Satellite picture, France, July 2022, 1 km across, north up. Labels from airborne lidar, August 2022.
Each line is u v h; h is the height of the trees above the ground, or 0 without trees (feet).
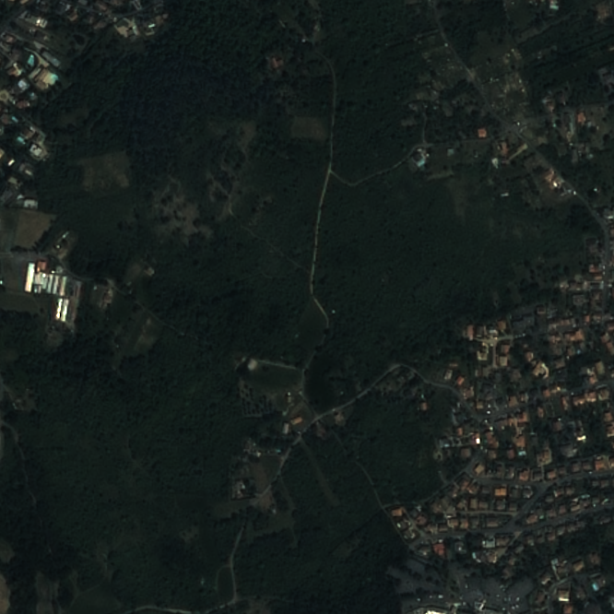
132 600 24
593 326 24
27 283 0
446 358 32
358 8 28
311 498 22
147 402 25
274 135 38
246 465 19
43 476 36
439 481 23
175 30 47
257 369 0
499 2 27
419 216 24
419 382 34
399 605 29
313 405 32
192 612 26
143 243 28
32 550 50
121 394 40
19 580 38
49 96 35
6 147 44
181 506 0
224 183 42
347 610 28
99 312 0
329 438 33
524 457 19
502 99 0
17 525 43
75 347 46
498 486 0
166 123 47
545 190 0
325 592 18
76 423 18
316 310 0
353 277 22
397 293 18
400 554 37
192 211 0
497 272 19
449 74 0
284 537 27
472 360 22
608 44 30
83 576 21
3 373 33
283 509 22
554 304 31
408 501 30
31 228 0
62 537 21
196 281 21
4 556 0
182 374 18
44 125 34
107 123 31
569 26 30
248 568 21
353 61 37
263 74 43
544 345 24
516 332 25
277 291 23
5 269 0
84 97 31
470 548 32
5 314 86
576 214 39
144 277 0
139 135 43
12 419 36
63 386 19
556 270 24
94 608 0
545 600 26
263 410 34
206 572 26
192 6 34
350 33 41
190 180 19
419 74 26
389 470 26
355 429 18
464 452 0
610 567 0
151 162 39
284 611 50
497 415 0
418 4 18
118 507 22
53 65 23
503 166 31
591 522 30
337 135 38
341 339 25
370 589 59
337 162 30
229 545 21
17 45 29
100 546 0
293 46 25
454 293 22
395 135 21
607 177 0
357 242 30
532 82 29
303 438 38
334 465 25
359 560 25
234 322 44
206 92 71
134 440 19
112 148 20
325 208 33
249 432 21
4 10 46
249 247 19
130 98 51
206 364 22
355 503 30
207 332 66
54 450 33
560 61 37
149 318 0
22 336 20
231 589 0
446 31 33
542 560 23
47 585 0
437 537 0
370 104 41
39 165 28
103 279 23
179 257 27
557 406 0
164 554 29
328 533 17
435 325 29
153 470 21
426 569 27
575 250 21
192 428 28
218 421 22
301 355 20
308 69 27
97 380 43
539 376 26
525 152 18
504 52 0
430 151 28
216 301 61
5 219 0
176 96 58
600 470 0
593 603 42
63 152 29
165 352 27
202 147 29
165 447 19
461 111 38
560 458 39
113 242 31
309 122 0
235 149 27
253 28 19
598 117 0
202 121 27
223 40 26
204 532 0
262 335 22
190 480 20
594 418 21
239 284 41
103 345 23
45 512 40
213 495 23
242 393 23
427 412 27
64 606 35
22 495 51
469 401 23
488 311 31
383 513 24
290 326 21
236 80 52
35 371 55
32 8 41
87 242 18
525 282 25
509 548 29
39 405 32
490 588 0
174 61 71
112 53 36
